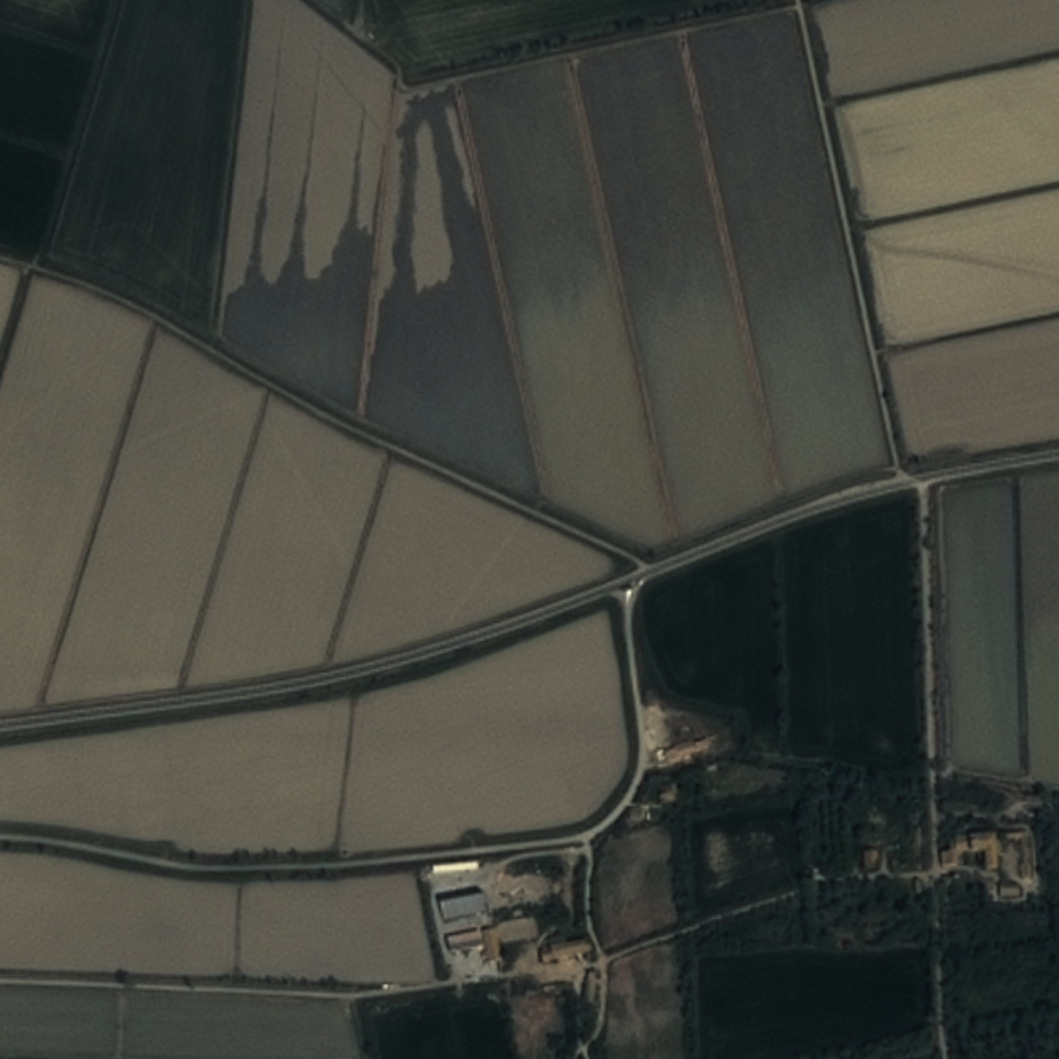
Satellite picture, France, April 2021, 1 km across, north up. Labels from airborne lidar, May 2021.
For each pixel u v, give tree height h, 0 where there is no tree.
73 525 0
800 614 0
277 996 0
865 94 0
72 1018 0
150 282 0
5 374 0
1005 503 0
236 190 0
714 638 0
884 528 0
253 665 0
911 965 0
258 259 0
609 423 0
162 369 0
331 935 0
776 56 0
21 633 0
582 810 0
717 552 0
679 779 7
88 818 0
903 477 0
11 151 0
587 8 0
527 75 0
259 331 0
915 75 0
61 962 0
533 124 0
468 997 0
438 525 0
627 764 0
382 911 0
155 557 0
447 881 0
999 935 0
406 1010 0
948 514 0
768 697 0
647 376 0
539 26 0
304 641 0
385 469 0
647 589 0
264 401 0
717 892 0
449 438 0
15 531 0
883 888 10
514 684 0
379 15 0
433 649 0
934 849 9
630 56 0
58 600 0
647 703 0
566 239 0
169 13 0
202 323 0
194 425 0
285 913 0
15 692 0
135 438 0
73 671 0
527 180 0
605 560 0
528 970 0
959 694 0
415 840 0
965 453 0
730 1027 0
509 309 0
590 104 0
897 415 0
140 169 0
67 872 0
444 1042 0
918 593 9
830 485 0
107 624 0
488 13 0
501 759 0
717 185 0
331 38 0
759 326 0
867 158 0
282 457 0
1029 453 0
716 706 0
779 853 0
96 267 0
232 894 0
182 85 0
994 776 0
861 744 0
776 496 0
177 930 0
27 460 0
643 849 0
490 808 0
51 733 0
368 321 0
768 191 0
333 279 0
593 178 0
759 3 0
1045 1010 12
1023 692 0
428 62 0
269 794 0
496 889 0
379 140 0
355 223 0
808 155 0
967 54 0
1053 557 0
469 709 0
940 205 0
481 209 0
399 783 0
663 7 0
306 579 0
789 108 0
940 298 0
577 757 0
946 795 10
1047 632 0
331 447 0
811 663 0
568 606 0
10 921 0
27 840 0
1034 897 8
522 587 0
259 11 0
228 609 0
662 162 0
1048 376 0
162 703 0
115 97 0
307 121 0
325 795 0
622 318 0
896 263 0
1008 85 0
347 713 0
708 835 0
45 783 0
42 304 0
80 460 0
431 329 0
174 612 0
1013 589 0
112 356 0
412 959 0
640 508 0
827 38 0
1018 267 0
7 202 0
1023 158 0
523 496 0
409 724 0
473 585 0
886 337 0
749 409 0
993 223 0
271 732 0
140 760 0
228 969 0
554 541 0
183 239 0
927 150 0
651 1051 0
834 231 0
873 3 0
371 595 0
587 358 0
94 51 0
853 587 0
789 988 0
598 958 6
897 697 0
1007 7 0
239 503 0
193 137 0
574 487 0
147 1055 0
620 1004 0
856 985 0
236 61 0
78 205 0
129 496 0
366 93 0
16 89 0
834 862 10
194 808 0
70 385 0
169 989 0
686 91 0
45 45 0
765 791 6
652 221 0
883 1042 8
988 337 0
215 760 0
